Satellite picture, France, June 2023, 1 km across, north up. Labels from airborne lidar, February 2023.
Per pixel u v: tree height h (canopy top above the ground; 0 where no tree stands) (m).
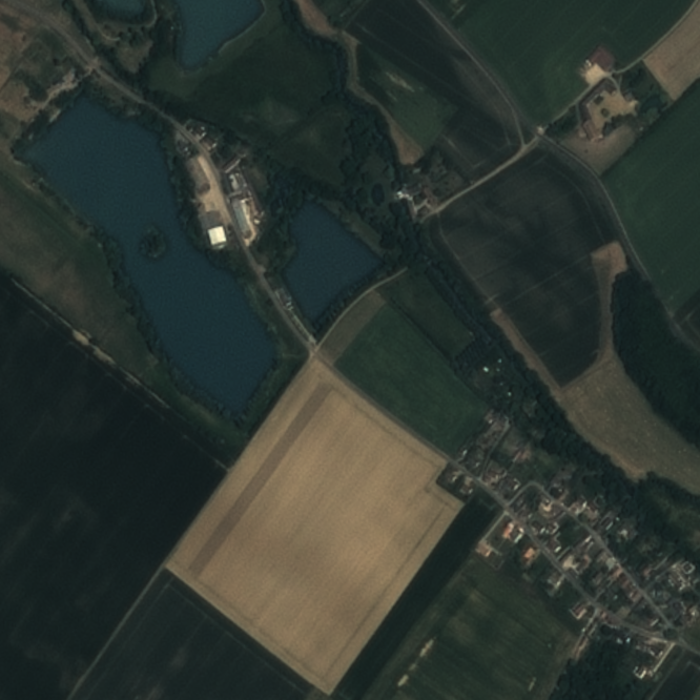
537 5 0
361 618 0
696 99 0
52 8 0
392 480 0
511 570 0
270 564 0
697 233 0
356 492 0
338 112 0
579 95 0
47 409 0
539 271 0
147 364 0
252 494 0
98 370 0
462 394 0
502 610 0
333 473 0
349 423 0
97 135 0
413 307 0
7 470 0
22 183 0
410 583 0
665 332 13
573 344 0
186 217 24
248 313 0
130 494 0
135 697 0
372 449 0
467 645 0
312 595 0
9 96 0
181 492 0
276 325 0
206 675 0
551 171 0
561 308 0
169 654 0
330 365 0
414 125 0
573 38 0
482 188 0
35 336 0
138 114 7
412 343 0
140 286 0
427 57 0
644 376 18
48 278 0
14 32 0
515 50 0
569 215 0
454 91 0
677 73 0
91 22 0
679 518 0
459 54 0
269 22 0
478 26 0
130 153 0
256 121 0
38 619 0
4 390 0
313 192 17
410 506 0
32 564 0
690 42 0
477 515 0
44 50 0
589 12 0
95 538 0
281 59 0
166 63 0
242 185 0
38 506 0
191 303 0
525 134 0
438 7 0
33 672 0
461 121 0
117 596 0
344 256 0
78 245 0
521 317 0
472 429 0
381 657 0
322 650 0
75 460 0
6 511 0
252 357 0
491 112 0
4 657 0
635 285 12
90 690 0
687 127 0
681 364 16
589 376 0
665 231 0
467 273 0
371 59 0
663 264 0
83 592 0
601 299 0
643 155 0
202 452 0
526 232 0
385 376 0
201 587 0
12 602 0
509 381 11
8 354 0
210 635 0
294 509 0
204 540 0
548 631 0
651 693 8
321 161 0
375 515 0
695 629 0
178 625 0
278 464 0
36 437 0
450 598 0
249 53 0
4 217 0
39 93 10
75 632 0
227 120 0
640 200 0
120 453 0
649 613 6
